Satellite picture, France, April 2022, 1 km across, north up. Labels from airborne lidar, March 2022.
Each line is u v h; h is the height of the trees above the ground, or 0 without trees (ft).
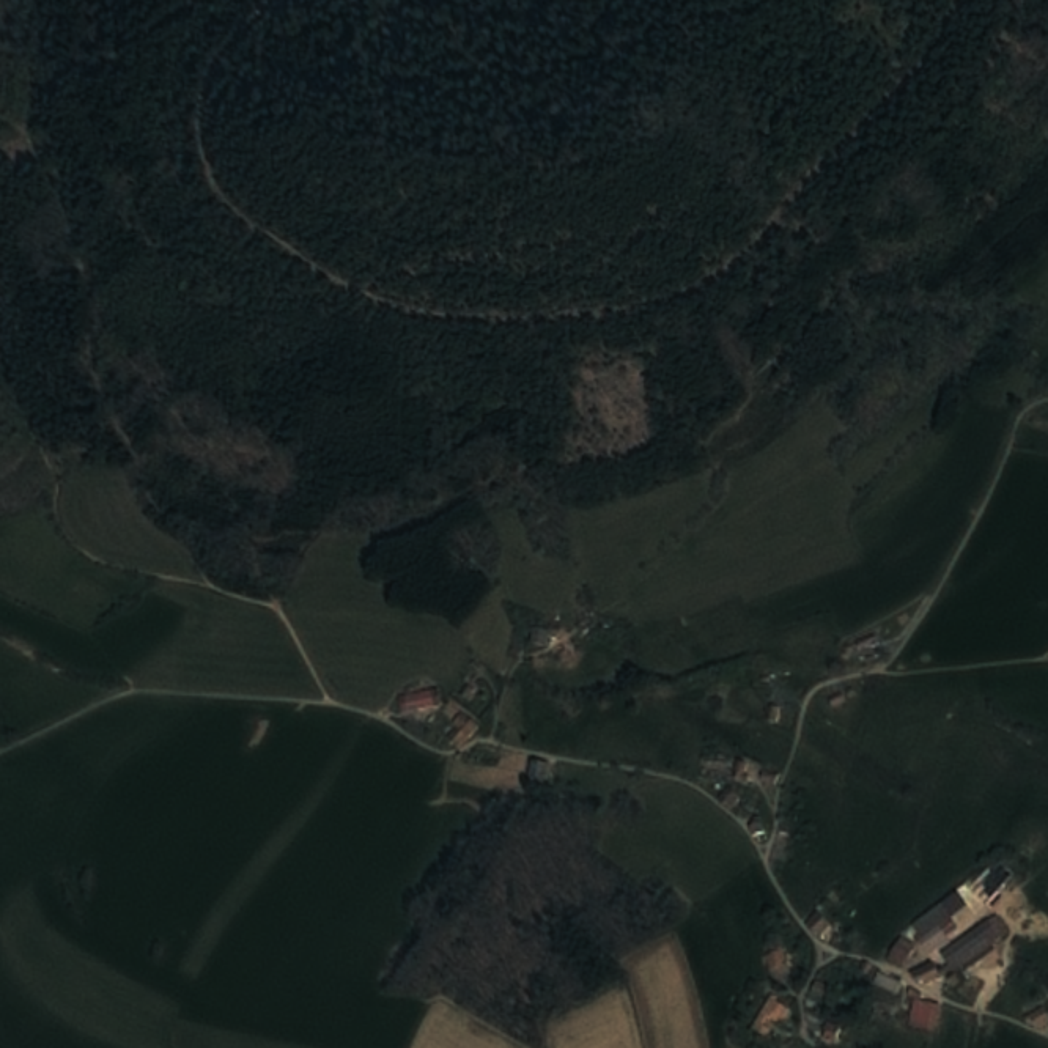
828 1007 28
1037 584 0
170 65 34
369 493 90
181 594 0
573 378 84
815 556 0
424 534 80
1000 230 49
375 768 0
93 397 76
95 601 0
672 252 84
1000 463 0
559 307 71
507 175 35
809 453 0
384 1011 0
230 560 94
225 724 0
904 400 54
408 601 80
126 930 0
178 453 82
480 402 71
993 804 0
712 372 92
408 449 39
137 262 55
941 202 78
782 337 81
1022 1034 0
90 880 30
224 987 0
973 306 57
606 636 42
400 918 0
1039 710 0
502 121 88
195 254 32
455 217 74
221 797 0
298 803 0
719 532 0
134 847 0
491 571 73
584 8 69
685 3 83
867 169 119
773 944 44
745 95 93
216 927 0
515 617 35
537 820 80
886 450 0
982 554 0
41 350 87
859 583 0
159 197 23
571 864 100
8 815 0
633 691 82
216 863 0
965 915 0
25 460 0
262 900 0
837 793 0
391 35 109
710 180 89
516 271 75
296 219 70
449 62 76
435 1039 0
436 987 59
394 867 0
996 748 0
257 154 54
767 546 0
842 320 85
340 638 0
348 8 111
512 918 80
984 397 21
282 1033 0
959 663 0
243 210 66
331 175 55
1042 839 0
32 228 94
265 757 0
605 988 57
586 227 86
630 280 70
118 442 50
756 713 0
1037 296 0
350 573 0
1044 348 0
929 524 0
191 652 0
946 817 0
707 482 0
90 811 0
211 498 56
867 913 0
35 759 0
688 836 0
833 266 69
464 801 0
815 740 0
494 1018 66
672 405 86
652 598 0
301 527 45
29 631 0
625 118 89
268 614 0
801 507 0
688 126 77
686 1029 0
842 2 91
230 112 72
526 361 73
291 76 36
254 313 33
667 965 0
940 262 57
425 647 0
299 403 82
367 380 90
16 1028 0
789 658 0
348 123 77
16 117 33
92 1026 0
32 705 0
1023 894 0
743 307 103
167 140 21
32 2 54
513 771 0
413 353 74
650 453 79
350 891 0
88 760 0
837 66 92
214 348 44
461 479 79
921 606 0
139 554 0
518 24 25
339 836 0
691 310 86
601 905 96
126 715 0
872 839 0
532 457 82
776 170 52
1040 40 103
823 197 102
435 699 0
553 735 0
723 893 0
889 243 62
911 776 0
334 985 0
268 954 0
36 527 0
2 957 0
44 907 0
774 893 0
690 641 0
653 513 0
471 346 77
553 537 67
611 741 0
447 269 80
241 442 89
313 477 102
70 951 0
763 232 50
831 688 0
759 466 0
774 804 0
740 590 0
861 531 0
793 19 78
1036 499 0
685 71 78
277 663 0
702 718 0
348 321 49
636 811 51
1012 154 67
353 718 0
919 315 78
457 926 88
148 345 57
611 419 58
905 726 0
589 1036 0
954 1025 0
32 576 0
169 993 0
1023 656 0
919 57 93
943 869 0
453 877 67
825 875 0
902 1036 0
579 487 63
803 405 64
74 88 82
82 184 73
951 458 0
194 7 49
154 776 0
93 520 0
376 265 87
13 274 104
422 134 94
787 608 0
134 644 0
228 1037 0
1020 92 93
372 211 58
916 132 108
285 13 46
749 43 83
